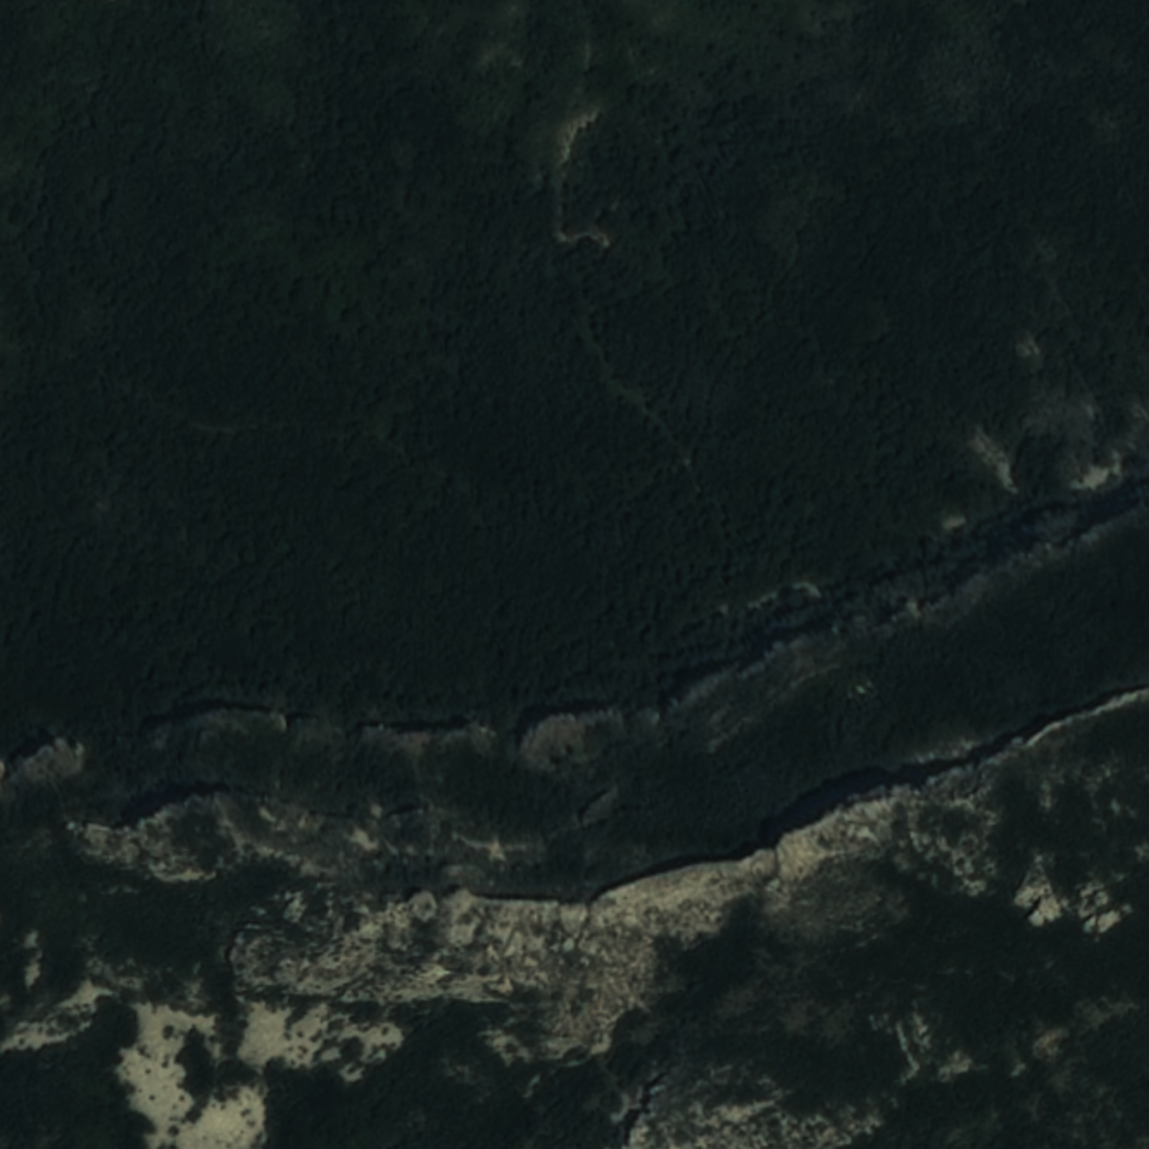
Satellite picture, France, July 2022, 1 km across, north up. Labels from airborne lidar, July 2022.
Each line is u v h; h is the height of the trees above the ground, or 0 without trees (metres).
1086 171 11
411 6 8
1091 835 12
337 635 13
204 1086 8
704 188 8
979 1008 11
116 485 13
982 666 17
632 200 11
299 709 12
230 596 16
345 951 10
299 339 10
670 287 9
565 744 0
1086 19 7
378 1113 7
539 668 18
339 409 8
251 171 9
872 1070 8
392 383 10
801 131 12
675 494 7
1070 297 13
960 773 0
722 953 9
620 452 13
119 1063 7
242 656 21
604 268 11
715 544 15
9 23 10
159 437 12
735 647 6
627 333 12
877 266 10
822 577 7
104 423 17
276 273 10
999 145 10
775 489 14
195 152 6
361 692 21
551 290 15
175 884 7
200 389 11
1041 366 7
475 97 7
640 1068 10
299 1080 9
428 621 22
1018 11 12
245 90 7
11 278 12
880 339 6
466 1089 7
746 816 20
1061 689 9
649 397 8
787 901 0
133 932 12
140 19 11
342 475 10
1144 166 11
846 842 0
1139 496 6
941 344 13
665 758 7
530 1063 7
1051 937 7
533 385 10
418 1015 11
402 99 17
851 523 17
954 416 7
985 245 6
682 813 22
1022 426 6
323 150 14
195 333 12
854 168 17
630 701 7
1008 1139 6
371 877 7
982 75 6
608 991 0
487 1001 9
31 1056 8
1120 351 6
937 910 9
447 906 0
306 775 11
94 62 10
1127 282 7
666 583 11
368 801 8
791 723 10
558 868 7
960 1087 12
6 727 12
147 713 14
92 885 7
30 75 15
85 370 14
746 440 14
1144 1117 6
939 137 9
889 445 15
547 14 12
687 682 12
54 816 8
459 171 8
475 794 9
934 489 18
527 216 16
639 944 0
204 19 14
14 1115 8
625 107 9
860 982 6
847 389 17
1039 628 6
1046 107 9
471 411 12
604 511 7
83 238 17
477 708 11
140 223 15
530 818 9
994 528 8
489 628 19
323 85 7
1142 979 8
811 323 10
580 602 14
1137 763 6
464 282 8
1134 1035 7
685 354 9
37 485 15
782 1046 6
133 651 16
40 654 20
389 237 6
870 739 12
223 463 8
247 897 11
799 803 6
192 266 18
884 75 8
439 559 22
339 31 14
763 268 10
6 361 9
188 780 11
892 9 14
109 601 10
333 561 19
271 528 14
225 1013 6
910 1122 7
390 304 7
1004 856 8
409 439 18
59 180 17
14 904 9
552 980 0
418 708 19
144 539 14
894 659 13
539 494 16
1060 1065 6
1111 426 10
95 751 7
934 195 10
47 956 11
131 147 13
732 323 6
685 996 9
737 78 6
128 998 12
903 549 14
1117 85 10
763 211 9
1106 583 9
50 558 17
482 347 15
